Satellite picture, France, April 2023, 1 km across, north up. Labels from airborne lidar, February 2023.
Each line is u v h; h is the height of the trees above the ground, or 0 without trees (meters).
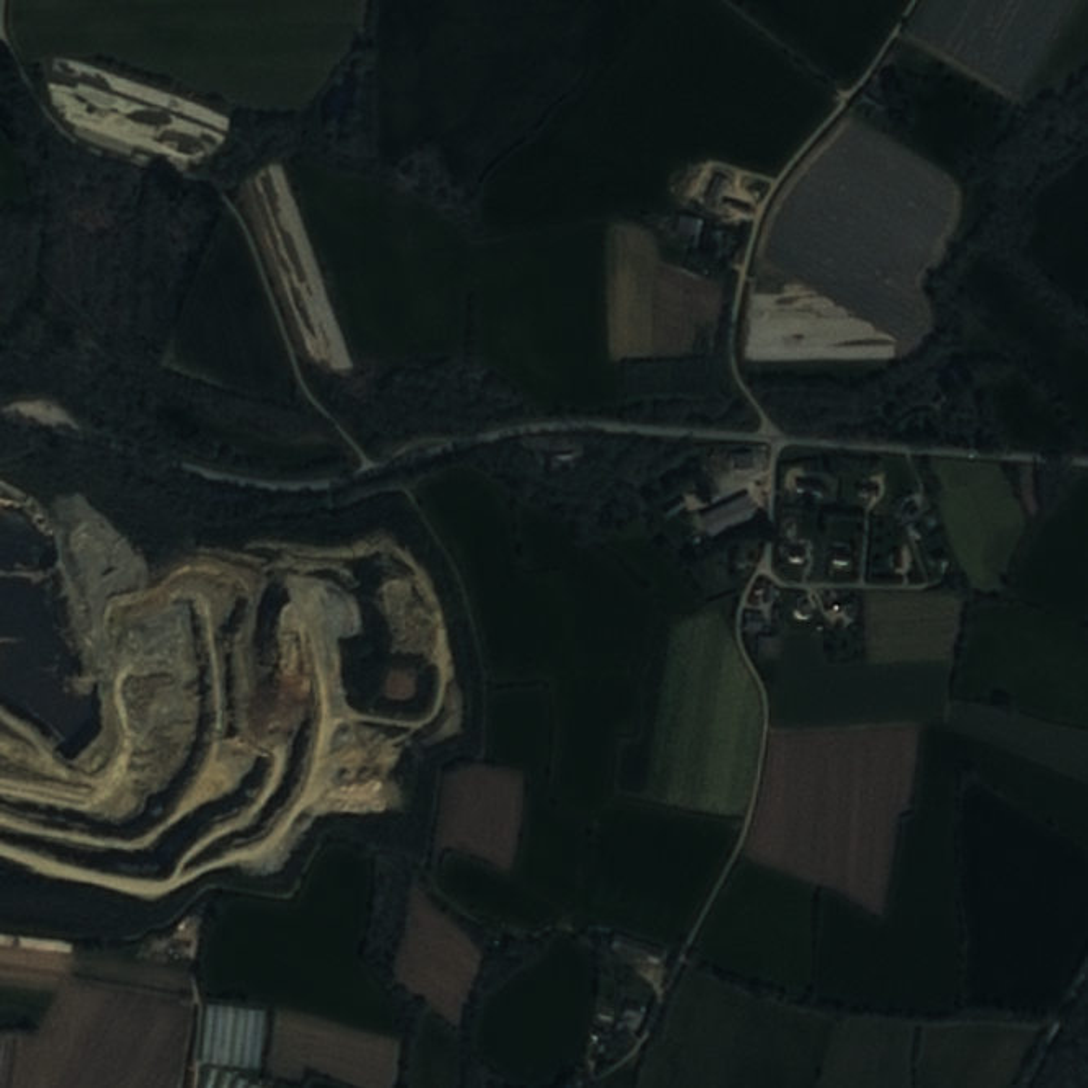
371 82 8
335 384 6
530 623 0
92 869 0
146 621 0
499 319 0
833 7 0
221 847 0
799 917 0
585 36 0
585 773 0
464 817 0
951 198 0
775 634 6
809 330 0
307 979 0
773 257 0
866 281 0
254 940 0
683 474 12
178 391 13
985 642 0
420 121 0
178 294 14
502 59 0
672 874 0
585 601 0
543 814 0
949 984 0
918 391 19
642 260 0
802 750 0
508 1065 0
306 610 0
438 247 0
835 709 0
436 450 0
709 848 0
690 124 0
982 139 0
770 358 0
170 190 14
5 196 0
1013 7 0
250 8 0
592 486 8
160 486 7
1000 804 0
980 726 0
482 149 0
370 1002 0
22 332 24
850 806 0
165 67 0
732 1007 0
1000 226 17
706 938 0
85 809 0
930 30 0
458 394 8
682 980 7
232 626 0
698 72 0
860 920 0
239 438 0
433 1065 0
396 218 0
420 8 0
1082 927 0
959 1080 0
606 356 0
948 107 0
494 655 0
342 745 0
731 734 0
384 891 9
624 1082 0
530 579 0
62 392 18
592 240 0
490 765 8
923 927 0
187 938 0
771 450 0
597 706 0
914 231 0
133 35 0
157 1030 0
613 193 0
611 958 8
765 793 0
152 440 9
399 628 0
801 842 0
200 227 11
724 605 0
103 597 0
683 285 0
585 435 11
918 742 0
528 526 0
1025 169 12
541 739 0
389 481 12
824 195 0
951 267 10
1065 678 0
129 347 17
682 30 0
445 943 0
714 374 8
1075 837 0
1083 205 0
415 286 0
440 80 0
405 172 6
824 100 0
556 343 0
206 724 0
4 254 12
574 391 0
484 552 0
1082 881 0
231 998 10
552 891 0
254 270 0
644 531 15
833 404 28
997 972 0
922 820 0
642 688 0
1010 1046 0
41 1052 0
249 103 0
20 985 0
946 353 10
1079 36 0
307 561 0
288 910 0
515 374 0
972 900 0
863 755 0
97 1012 0
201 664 0
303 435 10
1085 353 0
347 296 0
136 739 0
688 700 0
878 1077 0
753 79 0
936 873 0
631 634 0
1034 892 0
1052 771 0
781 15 0
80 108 0
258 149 12
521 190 0
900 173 0
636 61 0
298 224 0
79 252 11
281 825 0
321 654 0
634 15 0
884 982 0
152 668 0
